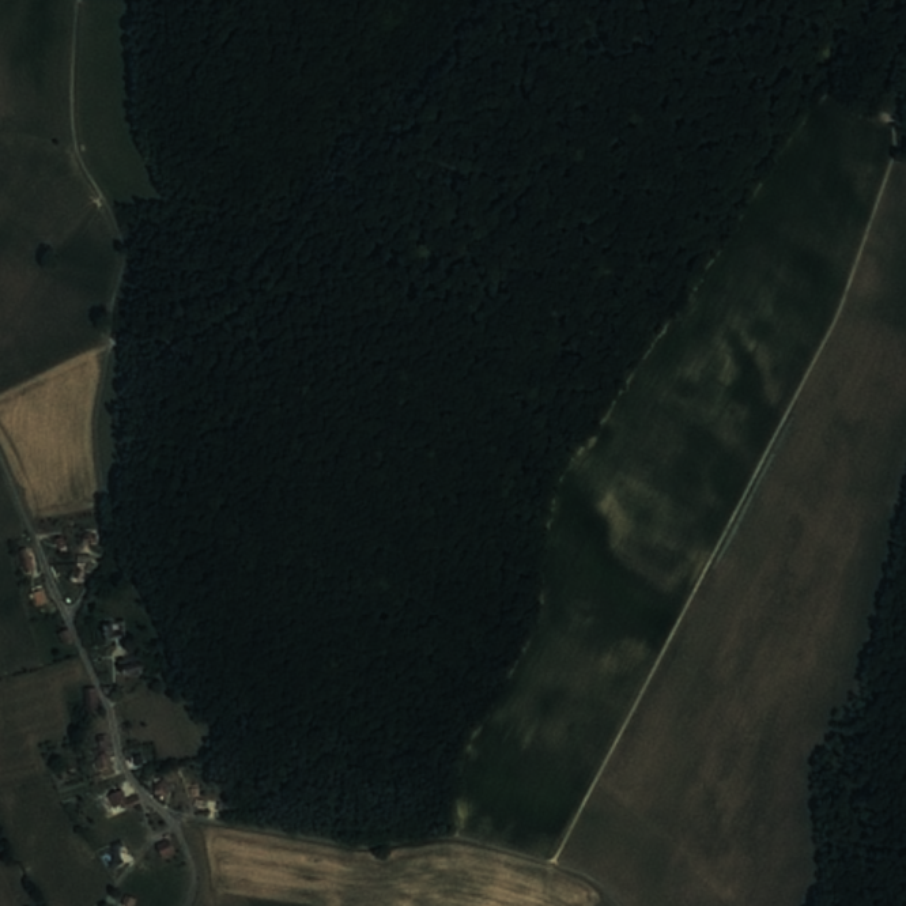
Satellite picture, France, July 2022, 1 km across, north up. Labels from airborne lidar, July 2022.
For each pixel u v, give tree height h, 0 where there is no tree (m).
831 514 0
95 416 0
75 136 0
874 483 0
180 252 28
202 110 19
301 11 15
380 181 30
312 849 0
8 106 0
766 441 0
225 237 21
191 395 26
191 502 27
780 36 30
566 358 33
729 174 32
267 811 26
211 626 25
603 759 0
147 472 26
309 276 24
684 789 0
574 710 0
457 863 0
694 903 0
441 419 23
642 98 29
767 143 33
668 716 0
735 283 0
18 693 0
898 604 19
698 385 0
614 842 0
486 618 29
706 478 0
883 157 0
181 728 0
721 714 0
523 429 30
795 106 28
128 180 0
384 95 28
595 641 0
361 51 23
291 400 26
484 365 25
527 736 0
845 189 0
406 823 22
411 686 28
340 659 21
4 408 0
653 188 28
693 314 0
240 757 24
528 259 29
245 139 24
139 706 0
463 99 30
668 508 0
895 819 26
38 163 0
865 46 26
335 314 23
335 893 0
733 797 0
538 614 20
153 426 27
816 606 0
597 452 0
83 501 0
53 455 0
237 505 25
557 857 0
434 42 17
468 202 34
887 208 0
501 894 0
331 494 23
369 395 16
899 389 0
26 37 0
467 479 26
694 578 0
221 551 30
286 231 21
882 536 0
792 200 0
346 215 27
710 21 31
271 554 26
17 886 0
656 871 0
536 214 26
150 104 22
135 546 28
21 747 0
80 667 0
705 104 28
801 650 0
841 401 0
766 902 0
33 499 0
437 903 0
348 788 27
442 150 30
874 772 26
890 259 0
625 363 25
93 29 0
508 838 0
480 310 27
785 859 0
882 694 24
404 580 26
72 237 0
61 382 0
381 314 20
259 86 27
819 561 0
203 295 26
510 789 0
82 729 16
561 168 32
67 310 0
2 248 0
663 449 0
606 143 31
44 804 0
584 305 30
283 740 23
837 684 0
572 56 32
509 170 31
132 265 14
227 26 27
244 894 0
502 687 20
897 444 0
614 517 0
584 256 30
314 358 26
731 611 0
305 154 25
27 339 0
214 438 26
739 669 0
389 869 0
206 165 25
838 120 0
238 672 20
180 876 0
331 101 27
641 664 0
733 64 31
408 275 31
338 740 23
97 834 0
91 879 0
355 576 25
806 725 0
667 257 29
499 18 33
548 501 25
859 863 29
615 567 0
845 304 0
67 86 0
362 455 20
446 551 23
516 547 26
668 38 32
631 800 0
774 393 0
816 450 0
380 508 27
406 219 33
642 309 30
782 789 0
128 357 22
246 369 14
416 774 23
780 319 0
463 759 10
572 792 0
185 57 23
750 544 0
